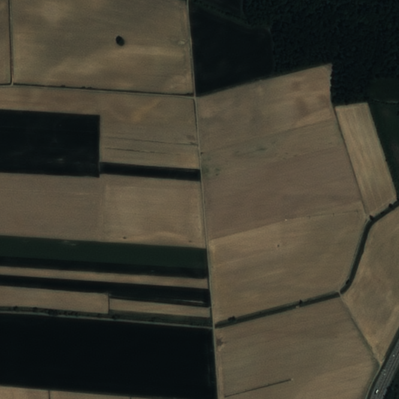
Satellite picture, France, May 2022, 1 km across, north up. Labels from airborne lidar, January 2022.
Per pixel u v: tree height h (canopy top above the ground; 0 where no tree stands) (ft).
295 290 0
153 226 0
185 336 0
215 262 0
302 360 0
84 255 0
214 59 0
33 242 0
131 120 0
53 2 0
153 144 0
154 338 0
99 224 0
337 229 0
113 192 0
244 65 0
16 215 0
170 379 0
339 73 74
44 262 0
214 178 0
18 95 0
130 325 0
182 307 0
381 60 101
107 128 0
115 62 0
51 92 0
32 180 0
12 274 0
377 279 0
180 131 0
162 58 0
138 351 0
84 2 0
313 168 0
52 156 0
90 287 0
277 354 0
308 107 0
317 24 104
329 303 0
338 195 0
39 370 0
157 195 0
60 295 0
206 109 0
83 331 0
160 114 0
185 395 0
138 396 0
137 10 0
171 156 0
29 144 0
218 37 0
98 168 0
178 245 0
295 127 0
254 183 0
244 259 0
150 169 0
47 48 0
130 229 0
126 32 0
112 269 0
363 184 0
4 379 0
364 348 0
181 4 0
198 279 0
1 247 0
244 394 0
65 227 0
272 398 0
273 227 0
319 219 0
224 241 0
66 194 0
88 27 0
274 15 85
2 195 0
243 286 0
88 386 0
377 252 0
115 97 0
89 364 0
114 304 0
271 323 0
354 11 89
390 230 0
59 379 0
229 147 0
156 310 0
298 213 0
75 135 0
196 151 0
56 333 0
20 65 0
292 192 0
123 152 0
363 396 0
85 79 0
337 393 0
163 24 0
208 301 0
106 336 0
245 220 0
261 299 0
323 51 86
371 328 0
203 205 0
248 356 0
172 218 0
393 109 0
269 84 0
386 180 0
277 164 0
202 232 0
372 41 99
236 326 0
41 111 0
